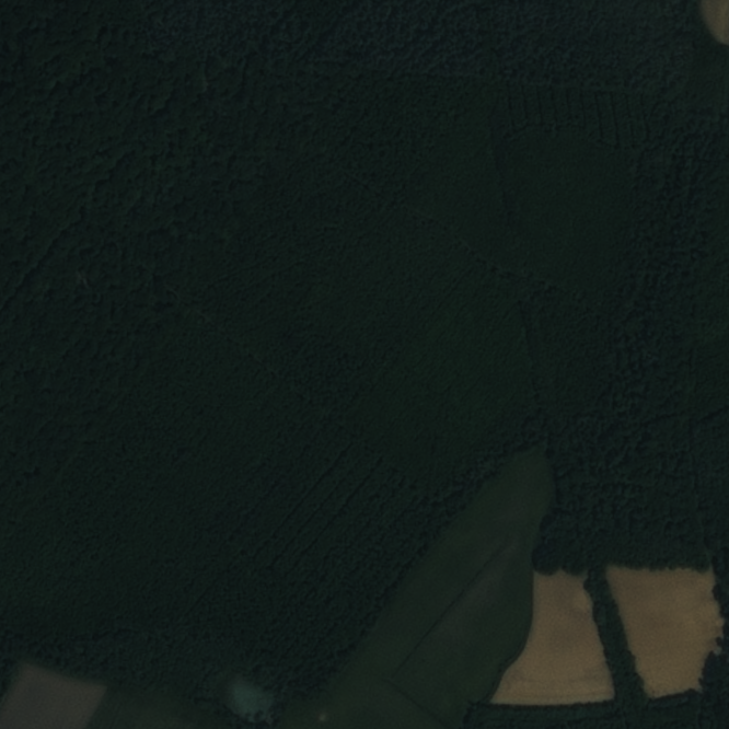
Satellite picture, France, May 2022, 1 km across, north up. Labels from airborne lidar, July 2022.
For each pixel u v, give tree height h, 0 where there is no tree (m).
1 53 27
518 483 0
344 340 12
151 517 16
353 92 18
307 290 16
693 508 23
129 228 20
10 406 23
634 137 14
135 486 14
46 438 22
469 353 11
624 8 23
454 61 26
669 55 26
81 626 15
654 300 15
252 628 19
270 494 21
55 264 25
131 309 24
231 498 17
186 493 17
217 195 22
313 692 17
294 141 24
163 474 14
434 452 14
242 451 15
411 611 0
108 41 21
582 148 14
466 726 11
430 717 0
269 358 19
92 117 28
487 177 13
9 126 25
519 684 0
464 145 13
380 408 10
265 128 29
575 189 13
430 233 12
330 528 17
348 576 18
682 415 19
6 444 24
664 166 19
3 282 24
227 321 17
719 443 24
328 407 20
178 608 16
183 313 18
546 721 10
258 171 21
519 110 14
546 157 14
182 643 18
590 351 15
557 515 16
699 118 18
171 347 14
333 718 0
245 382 15
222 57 20
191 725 0
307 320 16
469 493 16
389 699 0
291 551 16
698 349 9
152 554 17
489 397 11
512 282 16
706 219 27
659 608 0
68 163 24
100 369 22
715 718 23
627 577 0
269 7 26
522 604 0
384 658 0
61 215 23
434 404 12
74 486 16
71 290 23
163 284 27
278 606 17
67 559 16
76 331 23
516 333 11
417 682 0
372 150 18
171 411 13
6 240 24
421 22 29
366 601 19
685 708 21
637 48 22
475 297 12
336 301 13
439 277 12
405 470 11
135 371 22
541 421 16
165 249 18
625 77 19
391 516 18
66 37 26
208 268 18
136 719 0
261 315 18
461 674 0
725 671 23
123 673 25
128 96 21
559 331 14
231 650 21
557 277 14
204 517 15
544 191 14
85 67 23
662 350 27
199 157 23
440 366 10
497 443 12
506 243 14
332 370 21
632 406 10
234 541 16
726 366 9
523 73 23
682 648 0
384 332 12
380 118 19
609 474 21
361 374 19
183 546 15
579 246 14
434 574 0
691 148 20
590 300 14
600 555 26
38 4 27
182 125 22
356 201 18
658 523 22
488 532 0
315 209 20
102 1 23
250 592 18
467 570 0
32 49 29
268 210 19
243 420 16
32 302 24
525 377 10
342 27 29
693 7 12
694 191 18
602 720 20
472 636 0
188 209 31
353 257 12
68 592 16
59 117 26
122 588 16
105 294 26
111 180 29
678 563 22
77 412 20
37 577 14
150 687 14
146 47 26
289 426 14
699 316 15
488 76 17
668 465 21
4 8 29
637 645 0
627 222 14
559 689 0
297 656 21
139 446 17
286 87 25
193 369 14
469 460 9
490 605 0
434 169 13
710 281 18
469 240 11
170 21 24
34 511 15
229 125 25
